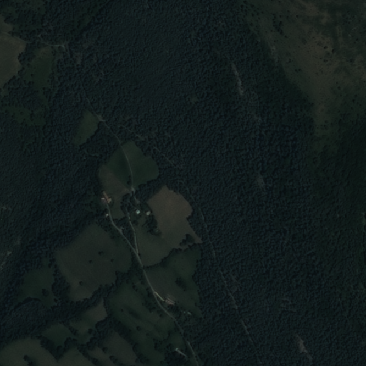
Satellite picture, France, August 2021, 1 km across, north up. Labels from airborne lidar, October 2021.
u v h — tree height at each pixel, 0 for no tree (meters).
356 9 0
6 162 16
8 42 0
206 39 24
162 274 0
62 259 0
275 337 17
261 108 12
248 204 7
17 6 10
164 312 6
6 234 16
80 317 22
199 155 20
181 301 0
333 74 0
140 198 8
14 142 14
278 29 10
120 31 8
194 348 14
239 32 8
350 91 0
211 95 26
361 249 14
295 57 0
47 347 22
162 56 6
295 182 12
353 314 17
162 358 0
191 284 0
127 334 17
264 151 27
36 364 0
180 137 14
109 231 7
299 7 0
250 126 15
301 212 16
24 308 22
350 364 18
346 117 13
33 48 11
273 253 16
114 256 0
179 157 20
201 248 14
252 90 7
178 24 10
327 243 8
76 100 8
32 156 16
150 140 17
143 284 8
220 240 16
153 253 0
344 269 16
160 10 20
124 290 0
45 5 7
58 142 18
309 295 24
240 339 19
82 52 23
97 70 12
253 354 22
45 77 0
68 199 21
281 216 8
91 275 0
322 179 6
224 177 19
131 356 0
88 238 0
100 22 22
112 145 12
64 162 19
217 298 14
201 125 17
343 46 0
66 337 0
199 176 11
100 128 18
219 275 16
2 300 20
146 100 12
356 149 15
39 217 18
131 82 15
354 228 13
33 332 27
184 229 0
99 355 0
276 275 19
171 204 0
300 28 0
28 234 24
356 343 17
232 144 20
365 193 16
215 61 16
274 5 0
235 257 13
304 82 0
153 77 7
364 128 12
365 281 15
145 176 0
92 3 17
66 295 13
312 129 10
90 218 19
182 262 0
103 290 15
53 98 14
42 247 26
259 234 13
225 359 17
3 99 10
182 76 12
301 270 14
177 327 12
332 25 0
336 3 0
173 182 9
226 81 10
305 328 13
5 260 7
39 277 0
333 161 6
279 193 11
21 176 17
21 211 10
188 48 19
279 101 14
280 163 15
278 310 15
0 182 18
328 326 21
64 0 15
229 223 14
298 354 13
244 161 17
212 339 19
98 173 11
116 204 0
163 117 14
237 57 21
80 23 13
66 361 0
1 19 0
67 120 18
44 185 18
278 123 8
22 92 14
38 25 13
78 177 20
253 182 15
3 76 0
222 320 16
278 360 19
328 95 0
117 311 0
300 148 25
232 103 9
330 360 13
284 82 6
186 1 24
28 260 28
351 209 17
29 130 9
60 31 20
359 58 0
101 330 12
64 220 17
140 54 10
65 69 12
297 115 19
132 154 0
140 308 0
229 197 16
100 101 21
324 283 18
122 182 0
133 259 8
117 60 19
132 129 11
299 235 13
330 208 12
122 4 14
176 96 13
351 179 17
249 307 17
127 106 14
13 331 20
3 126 13
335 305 14
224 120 25
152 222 10
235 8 11
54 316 26
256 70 22
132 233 8
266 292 8
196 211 16
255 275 16
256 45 16
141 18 6
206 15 20
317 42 0
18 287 26
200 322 9
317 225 8
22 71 10
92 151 11
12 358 0
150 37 12
